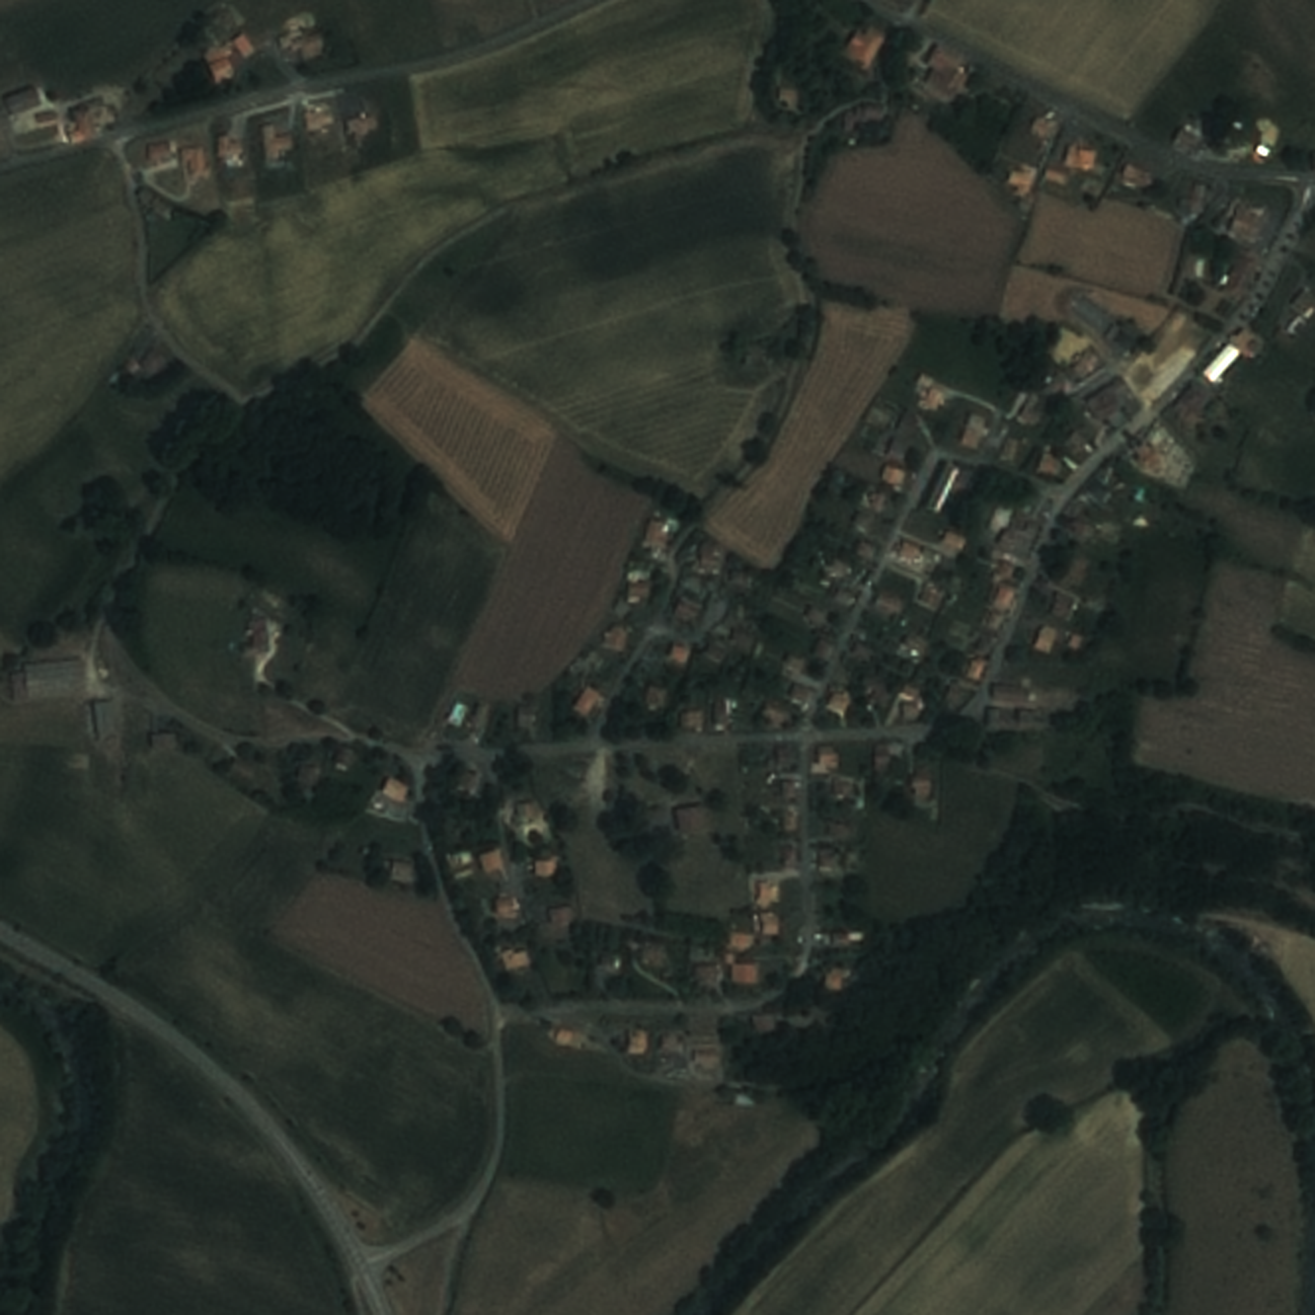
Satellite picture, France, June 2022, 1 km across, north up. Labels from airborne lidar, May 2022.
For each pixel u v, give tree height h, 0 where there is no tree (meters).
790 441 0
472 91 0
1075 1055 0
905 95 9
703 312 0
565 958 15
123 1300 0
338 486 14
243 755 10
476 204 0
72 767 0
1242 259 0
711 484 0
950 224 0
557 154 0
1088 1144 0
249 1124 0
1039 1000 0
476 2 0
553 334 0
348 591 0
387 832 0
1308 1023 6
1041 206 0
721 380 0
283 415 16
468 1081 0
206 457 9
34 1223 16
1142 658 0
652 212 0
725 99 0
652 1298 0
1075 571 0
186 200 0
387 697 0
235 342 0
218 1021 0
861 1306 0
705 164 0
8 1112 0
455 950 0
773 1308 0
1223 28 0
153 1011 0
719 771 0
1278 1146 0
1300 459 0
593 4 0
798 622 0
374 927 0
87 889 0
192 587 0
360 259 0
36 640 16
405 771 9
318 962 0
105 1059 11
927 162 0
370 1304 0
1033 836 9
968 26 0
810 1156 9
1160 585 0
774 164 0
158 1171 0
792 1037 16
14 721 0
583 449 0
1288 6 0
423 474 13
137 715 0
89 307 0
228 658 0
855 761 0
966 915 11
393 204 0
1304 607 0
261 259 0
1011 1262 0
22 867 0
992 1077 0
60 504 0
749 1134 0
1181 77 0
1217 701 0
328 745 11
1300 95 0
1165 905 13
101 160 0
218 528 0
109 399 0
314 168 0
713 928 14
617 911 0
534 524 0
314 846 0
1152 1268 10
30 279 0
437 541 0
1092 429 0
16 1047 0
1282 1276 0
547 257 0
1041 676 0
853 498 11
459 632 0
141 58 0
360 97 0
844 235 0
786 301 0
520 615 0
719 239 0
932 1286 0
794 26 16
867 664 6
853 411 0
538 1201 0
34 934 0
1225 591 0
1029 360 8
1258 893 12
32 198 0
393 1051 0
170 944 0
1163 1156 8
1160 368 0
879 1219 0
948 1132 0
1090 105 0
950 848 0
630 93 0
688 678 7
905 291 0
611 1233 0
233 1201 0
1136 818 13
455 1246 0
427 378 0
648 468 0
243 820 0
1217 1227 0
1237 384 0
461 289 0
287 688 12
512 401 0
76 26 0
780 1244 7
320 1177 0
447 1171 0
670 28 0
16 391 0
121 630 17
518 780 11
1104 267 0
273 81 0
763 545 0
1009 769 0
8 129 0
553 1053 0
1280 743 0
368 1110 0
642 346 0
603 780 0
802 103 6
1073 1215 0
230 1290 0
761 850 0
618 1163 0
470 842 7
